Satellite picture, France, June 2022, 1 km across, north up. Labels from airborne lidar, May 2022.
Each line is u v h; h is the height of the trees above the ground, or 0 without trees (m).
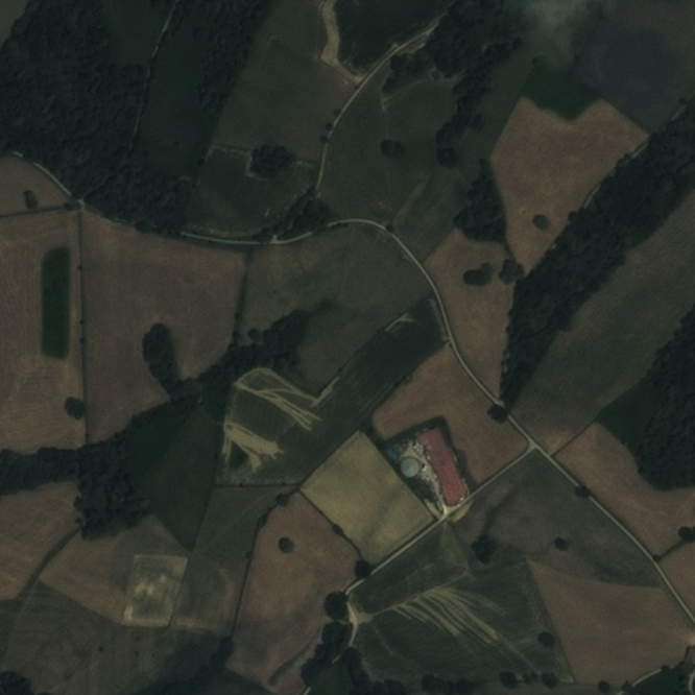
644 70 0
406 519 0
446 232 0
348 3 0
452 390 0
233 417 0
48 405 0
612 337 0
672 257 0
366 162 0
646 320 0
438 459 0
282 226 10
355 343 0
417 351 0
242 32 12
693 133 14
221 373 10
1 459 16
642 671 0
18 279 0
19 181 0
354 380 0
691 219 0
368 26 0
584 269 19
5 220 0
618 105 0
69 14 16
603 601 0
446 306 0
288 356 22
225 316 0
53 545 0
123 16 0
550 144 0
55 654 0
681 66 0
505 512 0
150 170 9
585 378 0
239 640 0
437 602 0
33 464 23
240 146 0
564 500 0
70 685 0
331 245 0
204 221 0
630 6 0
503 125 0
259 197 0
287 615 0
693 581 0
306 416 0
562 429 0
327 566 0
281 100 0
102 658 0
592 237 14
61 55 15
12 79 16
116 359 0
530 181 0
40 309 0
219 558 0
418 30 0
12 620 0
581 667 0
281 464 0
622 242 19
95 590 0
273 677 0
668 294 0
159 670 0
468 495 0
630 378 0
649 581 0
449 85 0
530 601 0
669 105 0
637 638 0
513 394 16
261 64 0
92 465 21
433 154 0
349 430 0
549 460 0
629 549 0
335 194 0
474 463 0
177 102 0
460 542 0
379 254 0
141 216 15
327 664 20
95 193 17
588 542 0
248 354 22
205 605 0
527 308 14
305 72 0
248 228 0
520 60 0
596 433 0
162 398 0
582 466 0
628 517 0
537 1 22
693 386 21
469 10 20
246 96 0
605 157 0
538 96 0
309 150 0
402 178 0
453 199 0
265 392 0
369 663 0
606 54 0
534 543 0
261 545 0
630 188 22
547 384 0
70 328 0
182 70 0
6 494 11
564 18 0
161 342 28
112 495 21
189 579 0
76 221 0
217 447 0
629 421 0
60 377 0
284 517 0
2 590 0
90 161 20
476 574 0
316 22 0
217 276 0
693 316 8
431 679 18
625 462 0
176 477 0
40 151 11
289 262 0
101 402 0
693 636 0
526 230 0
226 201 0
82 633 0
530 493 0
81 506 16
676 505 0
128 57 0
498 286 0
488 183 6
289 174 0
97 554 0
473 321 0
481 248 0
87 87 21
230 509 0
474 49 21
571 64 0
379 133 0
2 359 0
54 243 0
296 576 0
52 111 15
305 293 0
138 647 0
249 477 0
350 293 0
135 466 0
